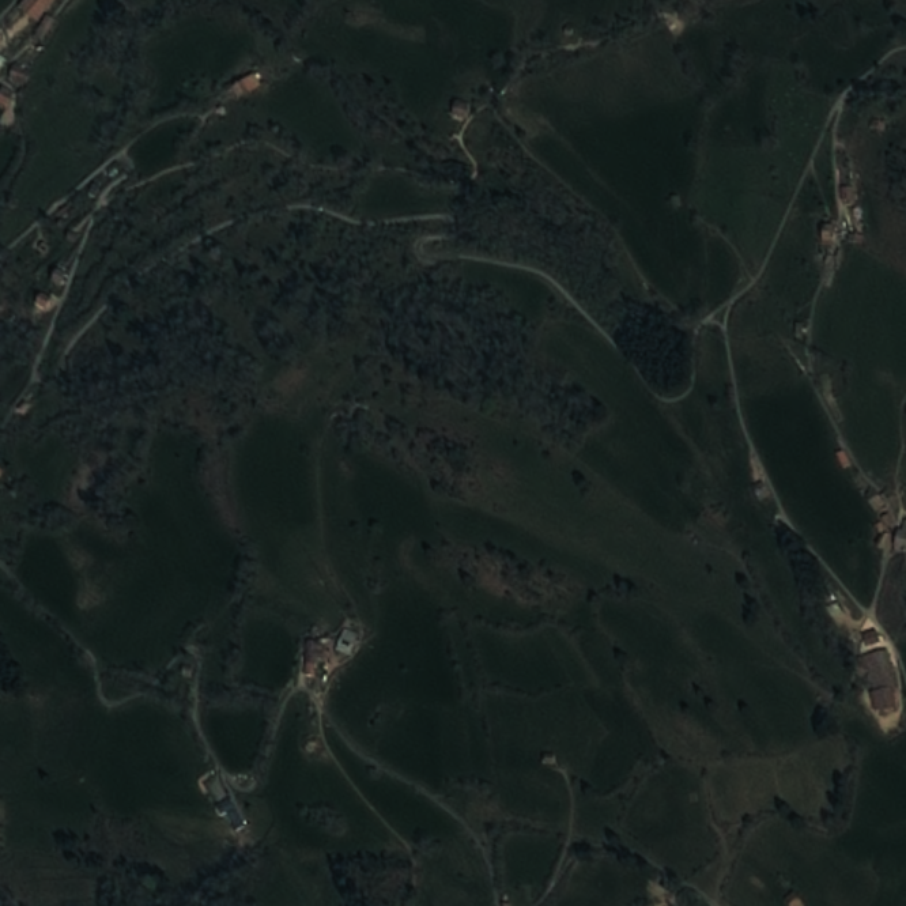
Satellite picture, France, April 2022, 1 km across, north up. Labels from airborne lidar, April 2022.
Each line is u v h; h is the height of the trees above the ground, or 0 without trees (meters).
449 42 0
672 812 0
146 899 13
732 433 0
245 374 19
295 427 0
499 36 0
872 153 0
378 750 0
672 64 0
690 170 0
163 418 7
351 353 0
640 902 7
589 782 0
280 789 0
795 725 0
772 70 0
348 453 7
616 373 0
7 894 0
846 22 0
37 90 0
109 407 21
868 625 0
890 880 0
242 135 0
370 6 0
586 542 0
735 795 0
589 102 0
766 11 0
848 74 0
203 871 0
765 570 0
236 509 0
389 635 0
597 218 9
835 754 0
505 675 0
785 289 0
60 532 15
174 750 0
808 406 0
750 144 0
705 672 0
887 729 0
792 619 0
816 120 0
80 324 6
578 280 14
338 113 0
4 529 0
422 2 0
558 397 20
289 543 0
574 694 0
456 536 0
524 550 0
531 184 8
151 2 0
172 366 22
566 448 19
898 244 0
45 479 0
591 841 0
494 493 0
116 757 0
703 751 0
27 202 0
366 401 9
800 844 0
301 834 0
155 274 12
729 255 0
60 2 0
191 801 0
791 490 0
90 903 0
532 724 0
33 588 0
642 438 0
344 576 0
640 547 0
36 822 0
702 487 0
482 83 0
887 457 0
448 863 0
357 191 13
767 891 0
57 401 0
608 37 9
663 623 0
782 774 0
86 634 0
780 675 0
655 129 0
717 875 0
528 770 0
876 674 0
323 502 0
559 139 0
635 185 0
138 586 0
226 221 0
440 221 0
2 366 22
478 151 0
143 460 21
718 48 0
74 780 0
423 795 0
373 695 0
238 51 0
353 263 7
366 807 0
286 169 7
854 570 0
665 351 30
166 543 0
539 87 0
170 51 0
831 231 0
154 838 0
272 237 0
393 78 0
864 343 0
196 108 14
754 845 0
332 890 0
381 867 8
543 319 0
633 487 0
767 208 0
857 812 0
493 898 0
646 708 0
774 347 0
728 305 0
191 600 0
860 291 0
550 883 9
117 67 28
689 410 0
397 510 0
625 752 0
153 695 22
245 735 0
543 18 0
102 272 7
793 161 0
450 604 0
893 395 0
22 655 0
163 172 0
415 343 22
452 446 13
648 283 0
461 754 0
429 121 0
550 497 0
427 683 0
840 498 0
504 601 0
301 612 0
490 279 0
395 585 0
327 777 0
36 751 0
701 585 0
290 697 0
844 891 0
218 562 0
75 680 0
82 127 0
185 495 0
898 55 0
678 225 0
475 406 19
